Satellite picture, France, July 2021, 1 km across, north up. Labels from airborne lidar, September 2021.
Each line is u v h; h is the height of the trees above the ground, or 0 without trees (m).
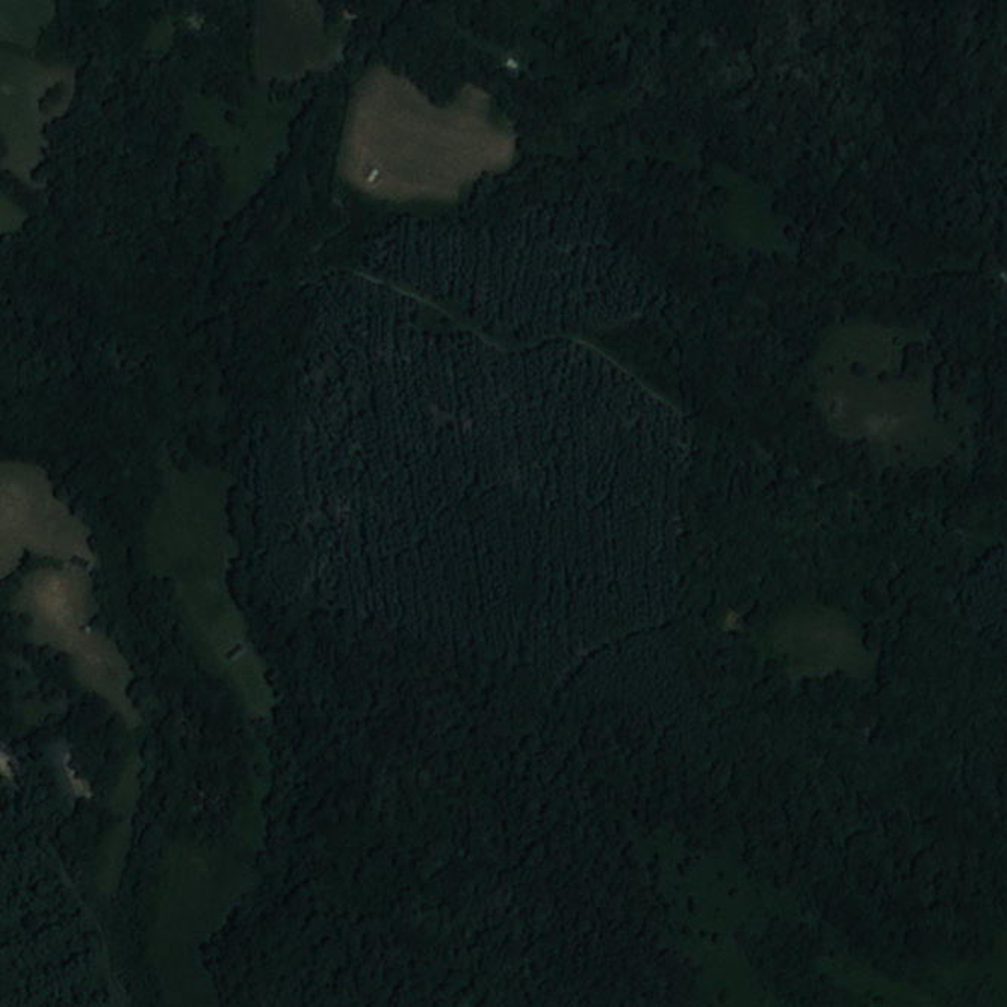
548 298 21
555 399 20
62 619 0
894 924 19
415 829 10
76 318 20
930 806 24
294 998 10
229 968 21
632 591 24
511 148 0
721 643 26
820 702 24
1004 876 22
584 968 9
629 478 20
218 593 0
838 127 25
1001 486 23
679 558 19
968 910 24
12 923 27
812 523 25
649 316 21
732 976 0
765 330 19
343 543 25
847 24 22
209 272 16
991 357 21
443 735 8
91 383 18
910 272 9
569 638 18
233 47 9
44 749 20
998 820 19
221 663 0
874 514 19
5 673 21
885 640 18
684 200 19
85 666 0
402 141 0
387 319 19
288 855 19
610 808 13
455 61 22
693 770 8
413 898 20
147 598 23
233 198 0
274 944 9
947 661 21
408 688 23
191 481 0
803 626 0
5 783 24
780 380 24
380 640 19
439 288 18
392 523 25
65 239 27
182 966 0
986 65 22
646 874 6
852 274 11
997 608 21
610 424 17
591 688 20
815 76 27
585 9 24
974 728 20
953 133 23
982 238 30
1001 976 0
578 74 7
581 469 17
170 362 27
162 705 13
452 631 26
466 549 25
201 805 19
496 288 18
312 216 7
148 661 20
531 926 22
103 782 18
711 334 22
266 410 22
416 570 22
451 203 0
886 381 11
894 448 0
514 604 21
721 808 15
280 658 14
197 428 16
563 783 17
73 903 9
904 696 24
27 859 30
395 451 22
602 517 22
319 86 11
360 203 9
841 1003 7
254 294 16
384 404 22
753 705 21
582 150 14
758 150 23
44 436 28
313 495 21
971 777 18
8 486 0
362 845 9
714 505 18
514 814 17
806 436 19
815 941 7
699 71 21
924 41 24
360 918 8
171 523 0
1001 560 24
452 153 0
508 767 21
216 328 25
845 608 15
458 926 9
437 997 23
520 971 11
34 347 12
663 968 18
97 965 36
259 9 9
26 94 0
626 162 9
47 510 0
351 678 22
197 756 26
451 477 22
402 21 21
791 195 14
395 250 23
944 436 0
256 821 0
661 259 26
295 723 9
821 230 20
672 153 10
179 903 0
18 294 24
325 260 6
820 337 19
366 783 11
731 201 16
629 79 21
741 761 18
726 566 24
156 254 26
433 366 23
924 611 22
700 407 18
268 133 0
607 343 7
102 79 16
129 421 25
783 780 19
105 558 7
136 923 19
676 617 18
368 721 13
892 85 24
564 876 18
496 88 8
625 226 22
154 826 12
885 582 20
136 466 31
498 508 21
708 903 0
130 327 28
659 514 19
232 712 34
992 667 23
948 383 18
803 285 20
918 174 20
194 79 15
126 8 9
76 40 19
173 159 23
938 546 20
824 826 16
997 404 19
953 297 24
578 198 19
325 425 18
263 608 22
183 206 21
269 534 16
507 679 20
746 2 32
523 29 22
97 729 23
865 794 23
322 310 17
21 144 0
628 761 6
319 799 21
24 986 21
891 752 24
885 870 25
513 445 19
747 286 20
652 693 21
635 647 21
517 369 19
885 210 26
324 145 8
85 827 30
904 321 19
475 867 19
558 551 21
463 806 8
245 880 0
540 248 23
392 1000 8
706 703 22
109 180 23
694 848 10
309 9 0
